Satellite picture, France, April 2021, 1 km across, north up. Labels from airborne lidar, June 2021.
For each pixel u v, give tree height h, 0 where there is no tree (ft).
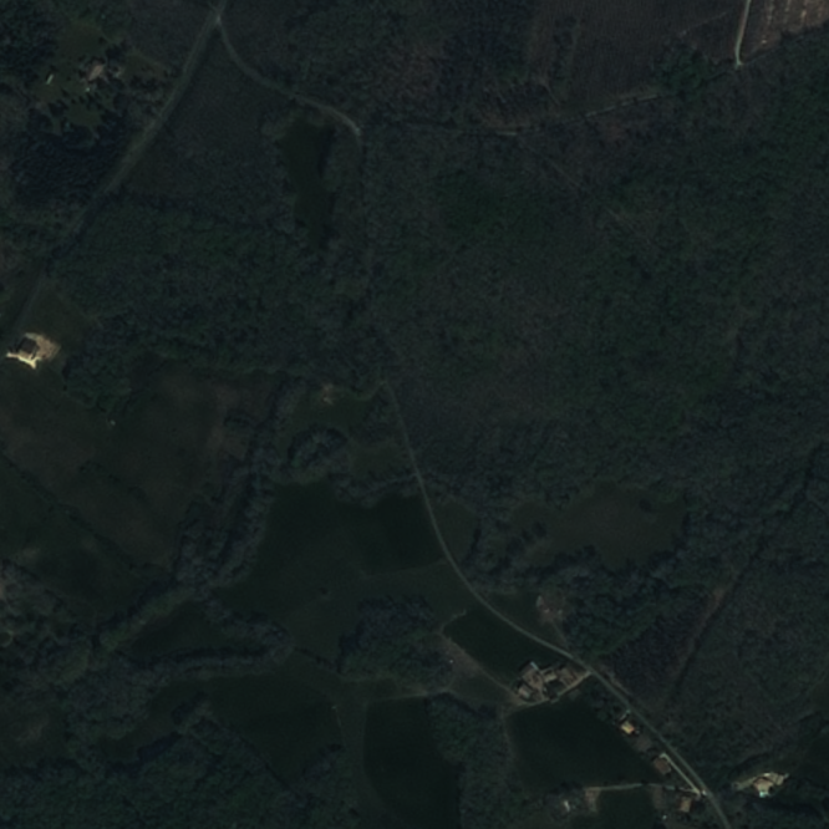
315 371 61
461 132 60
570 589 57
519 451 55
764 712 41
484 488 74
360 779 0
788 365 81
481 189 47
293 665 0
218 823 77
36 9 76
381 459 0
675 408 75
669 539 0
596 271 53
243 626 66
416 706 0
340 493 67
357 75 54
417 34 61
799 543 63
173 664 21
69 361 0
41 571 0
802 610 42
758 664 66
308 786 47
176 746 52
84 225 0
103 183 70
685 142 65
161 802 64
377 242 55
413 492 51
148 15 80
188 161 70
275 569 0
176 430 0
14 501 0
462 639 0
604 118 34
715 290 76
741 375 76
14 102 80
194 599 52
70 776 83
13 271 18
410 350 75
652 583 70
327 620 0
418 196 56
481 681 0
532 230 42
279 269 90
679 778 32
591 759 0
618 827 0
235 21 61
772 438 85
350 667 68
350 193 45
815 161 64
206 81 52
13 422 0
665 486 65
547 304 30
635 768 0
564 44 51
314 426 0
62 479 0
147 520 0
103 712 80
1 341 33
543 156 30
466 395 51
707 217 87
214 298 60
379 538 0
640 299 46
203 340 70
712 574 79
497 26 63
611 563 0
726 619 36
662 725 19
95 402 44
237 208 62
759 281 68
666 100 43
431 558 0
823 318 59
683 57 69
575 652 64
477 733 56
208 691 0
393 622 76
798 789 30
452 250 42
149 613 69
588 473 97
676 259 58
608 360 67
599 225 57
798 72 63
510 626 0
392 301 67
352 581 0
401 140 82
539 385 43
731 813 38
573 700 0
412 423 59
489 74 72
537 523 0
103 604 0
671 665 52
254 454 38
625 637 66
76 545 0
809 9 0
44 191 75
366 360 63
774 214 72
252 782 79
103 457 0
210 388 0
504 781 75
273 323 78
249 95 50
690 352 73
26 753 0
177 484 0
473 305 52
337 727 0
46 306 0
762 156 51
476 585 65
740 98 52
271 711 0
